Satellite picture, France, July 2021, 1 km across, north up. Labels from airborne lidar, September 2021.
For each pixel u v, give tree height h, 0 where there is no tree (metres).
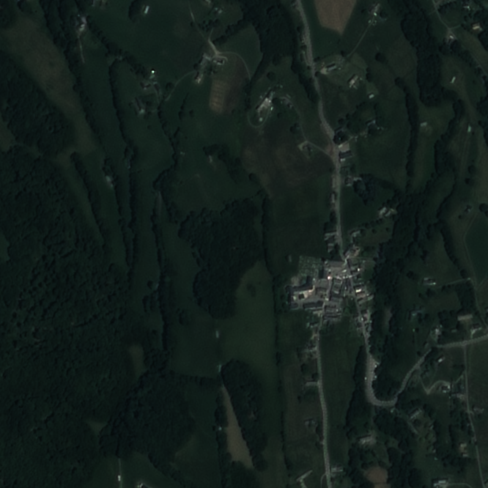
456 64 0
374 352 20
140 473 0
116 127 0
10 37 0
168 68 0
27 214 8
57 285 11
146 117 6
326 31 0
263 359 0
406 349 0
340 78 0
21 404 35
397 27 0
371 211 0
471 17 13
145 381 30
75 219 26
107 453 22
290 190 0
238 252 23
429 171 0
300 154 0
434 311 0
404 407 17
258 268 0
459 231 0
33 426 39
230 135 0
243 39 0
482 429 0
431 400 0
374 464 7
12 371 33
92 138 0
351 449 10
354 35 0
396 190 10
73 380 21
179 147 12
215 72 8
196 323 0
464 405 6
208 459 0
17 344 34
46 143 28
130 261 17
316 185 0
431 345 0
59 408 27
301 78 14
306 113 0
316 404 0
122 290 28
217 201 0
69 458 33
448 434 0
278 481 0
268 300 0
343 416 0
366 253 9
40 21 0
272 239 0
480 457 0
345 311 9
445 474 0
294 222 0
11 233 35
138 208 17
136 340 19
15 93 27
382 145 0
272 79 19
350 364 0
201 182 0
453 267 0
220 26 12
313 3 0
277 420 0
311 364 0
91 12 0
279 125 0
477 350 0
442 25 0
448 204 18
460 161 0
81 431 32
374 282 20
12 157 16
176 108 0
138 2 16
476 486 0
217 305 31
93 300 32
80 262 35
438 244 0
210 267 18
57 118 34
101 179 0
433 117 0
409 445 19
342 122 18
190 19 0
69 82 0
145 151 0
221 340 0
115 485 0
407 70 0
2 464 20
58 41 22
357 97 0
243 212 24
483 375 0
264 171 0
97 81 0
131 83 0
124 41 0
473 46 0
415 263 0
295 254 0
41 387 29
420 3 14
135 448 28
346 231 0
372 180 27
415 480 27
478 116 0
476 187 0
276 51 27
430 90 30
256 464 13
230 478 23
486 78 17
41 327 33
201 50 0
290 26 23
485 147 0
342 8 0
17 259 29
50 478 30
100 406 25
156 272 0
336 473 0
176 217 12
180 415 30
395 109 0
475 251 0
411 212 25
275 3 19
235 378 36
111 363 34
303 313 0
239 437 0
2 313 43
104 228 25
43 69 0
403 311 24
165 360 13
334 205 0
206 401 0
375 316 16
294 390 0
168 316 25
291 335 0
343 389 0
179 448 19
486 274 0
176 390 25
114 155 0
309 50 0
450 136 10
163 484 0
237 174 9
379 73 0
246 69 0
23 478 18
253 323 0
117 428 26
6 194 32
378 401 0
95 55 0
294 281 0
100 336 32
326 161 0
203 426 0
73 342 28
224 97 0
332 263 0
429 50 28
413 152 17
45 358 28
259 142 0
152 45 0
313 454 0
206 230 23
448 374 0
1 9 23
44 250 6
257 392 35
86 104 10
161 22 0
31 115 32
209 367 0
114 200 0
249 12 14
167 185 18
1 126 0
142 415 35
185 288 0
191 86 0
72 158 9
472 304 11
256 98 0
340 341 0
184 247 0
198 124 0
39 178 34
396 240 9
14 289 36
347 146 0
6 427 25
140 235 7
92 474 7
